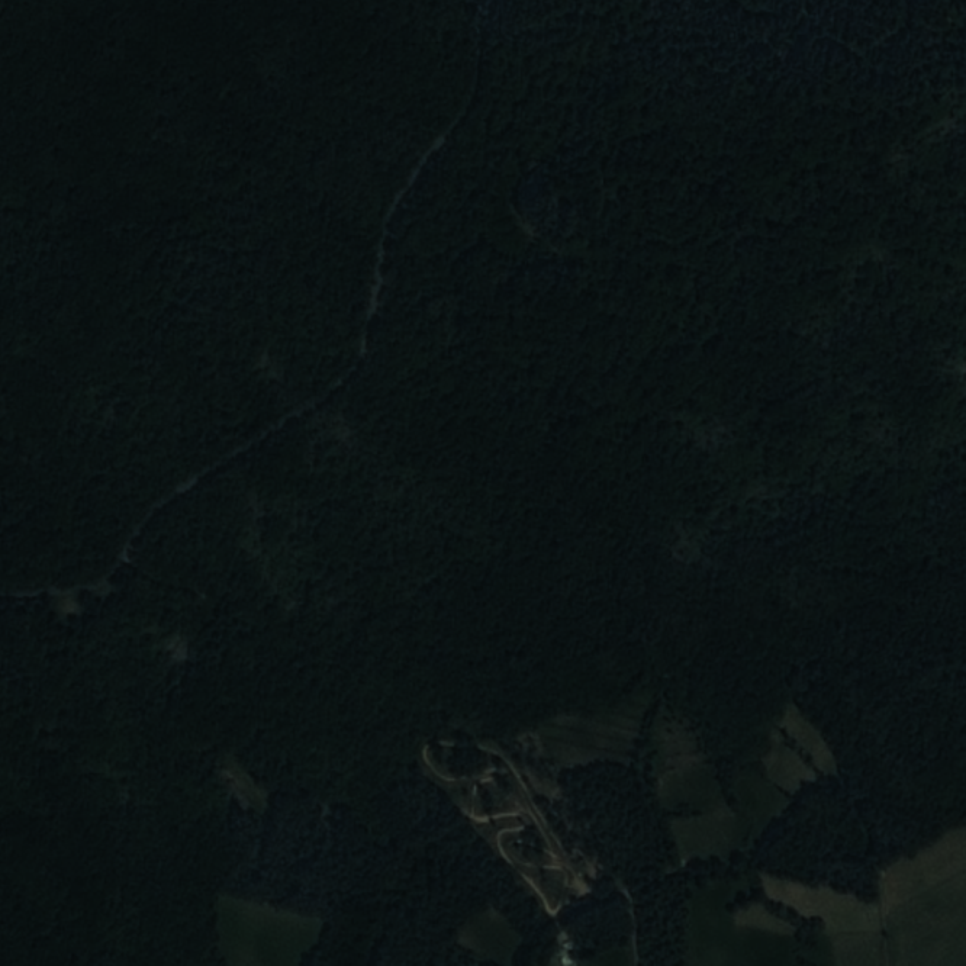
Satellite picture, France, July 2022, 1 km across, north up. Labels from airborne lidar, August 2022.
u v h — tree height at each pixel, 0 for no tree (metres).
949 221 15
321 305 9
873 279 14
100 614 13
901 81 24
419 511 11
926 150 6
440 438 10
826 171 21
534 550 15
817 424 22
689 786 0
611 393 15
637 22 18
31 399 16
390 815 20
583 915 23
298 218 16
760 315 22
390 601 14
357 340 9
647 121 14
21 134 21
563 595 18
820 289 16
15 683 21
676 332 12
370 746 13
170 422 13
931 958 0
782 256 20
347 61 24
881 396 16
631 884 15
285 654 14
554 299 23
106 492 19
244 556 12
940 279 8
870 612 20
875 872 18
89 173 19
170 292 6
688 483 13
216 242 11
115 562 15
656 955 8
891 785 17
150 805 14
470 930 0
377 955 27
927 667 21
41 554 20
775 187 8
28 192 14
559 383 19
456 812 28
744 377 17
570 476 19
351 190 21
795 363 21
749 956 0
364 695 7
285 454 13
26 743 12
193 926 13
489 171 17
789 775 0
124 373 15
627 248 16
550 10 14
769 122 22
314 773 11
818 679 22
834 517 19
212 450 16
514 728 22
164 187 20
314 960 19
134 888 16
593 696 17
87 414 10
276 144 20
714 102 17
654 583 23
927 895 0
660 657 24
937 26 13
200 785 12
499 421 17
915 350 19
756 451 15
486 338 18
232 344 20
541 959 21
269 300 17
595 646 22
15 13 18
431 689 12
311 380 10
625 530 11
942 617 19
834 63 25
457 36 15
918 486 13
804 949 8
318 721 17
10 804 16
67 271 16
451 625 17
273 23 22
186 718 16
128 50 16
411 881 15
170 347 18
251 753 13
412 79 18
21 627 19
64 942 20
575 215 28
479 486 10
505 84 17
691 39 22
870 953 0
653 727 7
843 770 15
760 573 21
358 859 18
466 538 13
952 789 19
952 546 12
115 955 14
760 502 6
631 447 22
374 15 18
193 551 13
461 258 24
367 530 7
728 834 0
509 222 8
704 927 0
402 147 18
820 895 0
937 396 17
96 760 11
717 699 19
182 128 21
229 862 18
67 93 20
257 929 0
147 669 20
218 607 8
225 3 20
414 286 19
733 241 7
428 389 7
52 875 19
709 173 14
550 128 7
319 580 9
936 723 20
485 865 20
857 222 23
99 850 19
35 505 20
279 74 20
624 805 15
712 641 20
